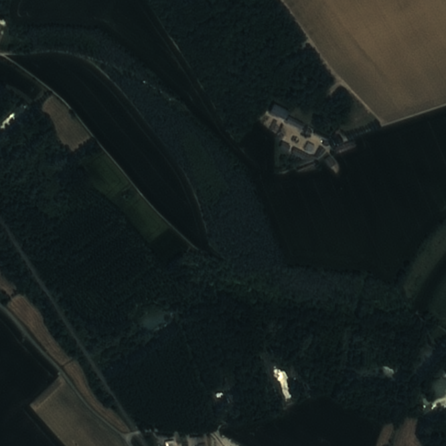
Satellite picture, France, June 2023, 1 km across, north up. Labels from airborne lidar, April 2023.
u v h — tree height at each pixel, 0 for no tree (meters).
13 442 0
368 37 0
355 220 0
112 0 0
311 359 9
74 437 0
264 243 15
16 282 28
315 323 29
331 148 0
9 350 0
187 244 0
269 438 0
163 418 29
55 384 0
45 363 0
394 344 24
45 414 0
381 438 0
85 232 10
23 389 0
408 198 0
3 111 19
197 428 27
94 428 0
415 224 0
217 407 21
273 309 24
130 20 0
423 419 9
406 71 0
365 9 0
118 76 15
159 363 28
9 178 10
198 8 20
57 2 0
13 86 0
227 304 20
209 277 15
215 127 0
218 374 30
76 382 0
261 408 19
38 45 15
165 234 0
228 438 0
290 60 23
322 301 15
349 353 9
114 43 10
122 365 26
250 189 17
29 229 18
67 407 0
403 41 0
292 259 0
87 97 0
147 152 0
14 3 0
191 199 0
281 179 0
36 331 0
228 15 22
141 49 0
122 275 10
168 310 10
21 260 21
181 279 23
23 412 0
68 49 15
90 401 0
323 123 19
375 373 7
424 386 20
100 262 12
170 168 0
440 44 0
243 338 29
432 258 0
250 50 26
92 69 0
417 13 0
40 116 13
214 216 14
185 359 27
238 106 15
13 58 0
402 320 27
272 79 26
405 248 0
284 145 0
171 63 0
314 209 0
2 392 0
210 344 28
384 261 0
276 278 11
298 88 11
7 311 0
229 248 16
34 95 0
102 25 0
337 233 0
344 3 0
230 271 13
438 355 21
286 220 0
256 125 0
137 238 11
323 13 0
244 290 14
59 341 17
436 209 0
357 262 0
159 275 6
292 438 0
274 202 0
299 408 0
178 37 16
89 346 16
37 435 0
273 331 22
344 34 0
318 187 0
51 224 10
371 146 0
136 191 0
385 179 0
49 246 18
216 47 21
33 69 0
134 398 31
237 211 18
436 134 0
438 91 0
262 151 0
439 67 0
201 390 26
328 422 0
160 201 0
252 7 21
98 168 0
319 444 0
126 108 0
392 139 0
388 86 0
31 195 18
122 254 16
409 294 0
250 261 14
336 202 0
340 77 0
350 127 0
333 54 0
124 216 9
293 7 0
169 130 19
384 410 20
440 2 0
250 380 25
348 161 0
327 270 11
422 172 0
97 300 8
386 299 6
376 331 20
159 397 31
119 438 0
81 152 13
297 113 0
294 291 17
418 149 0
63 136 0
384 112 0
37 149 11
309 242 0
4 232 23
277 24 22
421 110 0
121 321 30
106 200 15
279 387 0
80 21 0
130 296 6
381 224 0
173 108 16
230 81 20
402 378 22
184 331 9
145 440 8
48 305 31
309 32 0
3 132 19
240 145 0
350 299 22
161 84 13
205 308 32
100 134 0
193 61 15
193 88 0
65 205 8
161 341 28
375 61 0
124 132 0
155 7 10
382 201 0
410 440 0
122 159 0
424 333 17
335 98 19
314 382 18
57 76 0
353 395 22
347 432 0
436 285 0
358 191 0
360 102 0
